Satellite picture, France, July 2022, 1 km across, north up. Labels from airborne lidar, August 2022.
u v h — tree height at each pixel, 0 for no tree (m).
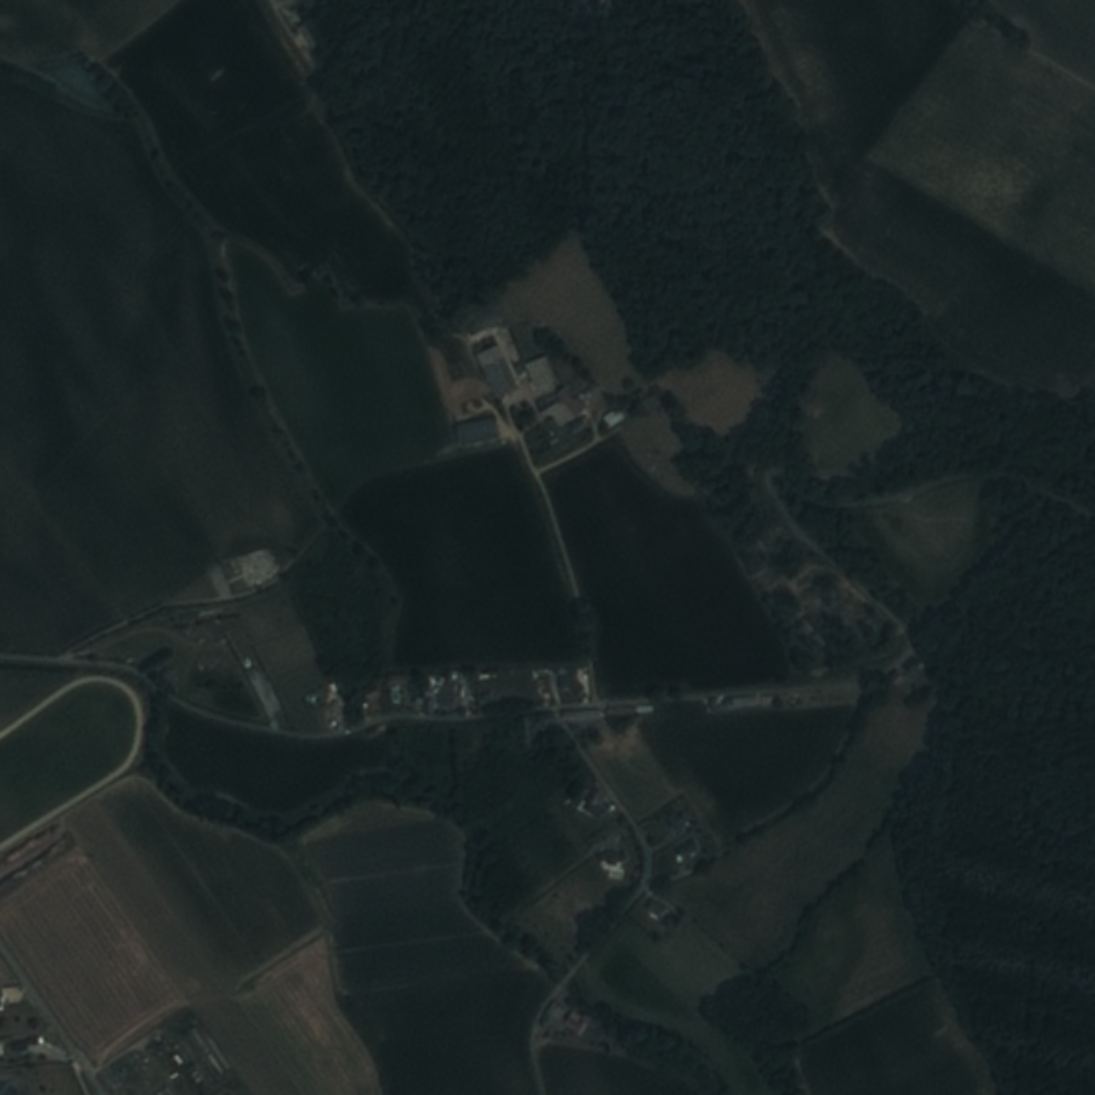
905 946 0
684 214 27
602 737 14
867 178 0
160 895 0
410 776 13
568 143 13
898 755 0
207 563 0
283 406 0
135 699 0
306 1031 0
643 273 23
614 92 21
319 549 0
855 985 0
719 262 25
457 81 20
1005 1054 23
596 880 0
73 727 0
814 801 13
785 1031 16
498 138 17
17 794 0
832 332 22
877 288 15
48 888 0
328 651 6
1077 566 20
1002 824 14
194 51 0
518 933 8
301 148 0
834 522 19
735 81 24
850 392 0
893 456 25
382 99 22
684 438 27
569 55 24
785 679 9
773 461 16
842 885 9
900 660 0
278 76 0
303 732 0
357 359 0
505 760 5
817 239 16
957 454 23
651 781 0
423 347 0
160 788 8
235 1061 0
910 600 22
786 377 21
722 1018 21
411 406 0
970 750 20
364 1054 0
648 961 0
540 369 0
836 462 0
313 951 0
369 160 16
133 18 0
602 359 0
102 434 0
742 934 0
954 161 0
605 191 26
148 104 0
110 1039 0
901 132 0
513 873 7
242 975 0
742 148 26
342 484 0
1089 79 0
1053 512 17
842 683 0
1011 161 0
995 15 22
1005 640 20
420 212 20
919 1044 0
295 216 0
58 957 0
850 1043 0
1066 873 18
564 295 0
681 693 11
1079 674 21
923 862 19
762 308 25
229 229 0
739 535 16
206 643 0
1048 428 25
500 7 29
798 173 24
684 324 28
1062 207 0
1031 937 20
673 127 24
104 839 0
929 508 0
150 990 0
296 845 0
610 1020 14
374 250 0
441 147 18
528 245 27
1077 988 18
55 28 0
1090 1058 17
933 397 16
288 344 0
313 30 11
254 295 0
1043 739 24
